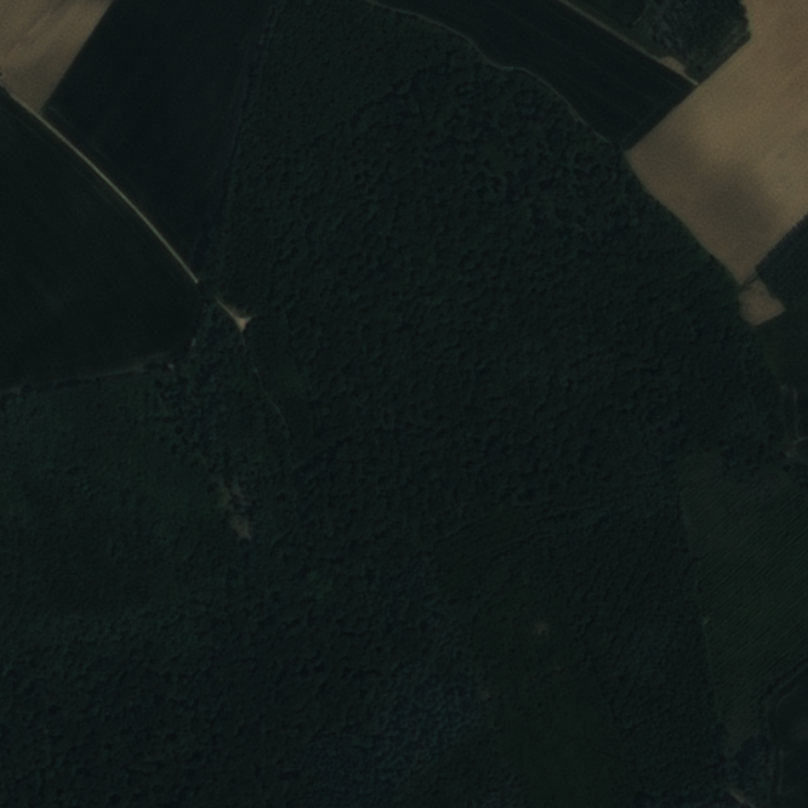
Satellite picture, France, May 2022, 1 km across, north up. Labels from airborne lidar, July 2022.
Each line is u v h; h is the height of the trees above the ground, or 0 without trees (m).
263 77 13
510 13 0
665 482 18
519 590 7
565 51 0
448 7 0
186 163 0
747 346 19
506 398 19
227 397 26
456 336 22
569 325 24
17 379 0
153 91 0
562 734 7
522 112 22
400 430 23
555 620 6
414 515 25
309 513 25
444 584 8
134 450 14
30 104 0
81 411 20
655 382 25
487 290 21
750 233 0
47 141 0
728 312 20
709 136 0
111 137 0
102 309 0
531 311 23
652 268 21
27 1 0
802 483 7
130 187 0
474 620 7
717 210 0
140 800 26
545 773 7
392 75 14
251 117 15
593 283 25
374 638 26
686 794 18
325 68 13
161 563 21
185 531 19
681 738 17
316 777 21
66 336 0
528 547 14
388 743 24
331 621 28
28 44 0
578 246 22
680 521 16
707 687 16
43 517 19
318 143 21
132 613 28
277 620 28
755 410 21
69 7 0
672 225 18
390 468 17
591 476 18
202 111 0
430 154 24
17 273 0
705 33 34
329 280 23
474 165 25
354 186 20
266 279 11
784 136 0
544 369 20
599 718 6
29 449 21
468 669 27
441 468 24
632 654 17
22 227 0
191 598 7
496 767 23
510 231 24
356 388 22
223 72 0
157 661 23
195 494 17
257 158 17
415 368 18
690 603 15
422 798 22
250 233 11
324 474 23
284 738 24
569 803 7
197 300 0
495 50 0
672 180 0
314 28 16
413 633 24
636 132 0
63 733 27
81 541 19
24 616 22
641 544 17
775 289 26
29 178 0
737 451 27
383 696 28
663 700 17
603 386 23
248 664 24
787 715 0
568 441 25
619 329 21
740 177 0
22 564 14
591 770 8
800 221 0
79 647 22
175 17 0
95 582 22
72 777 25
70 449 16
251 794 23
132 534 16
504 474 26
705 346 25
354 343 26
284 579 23
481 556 7
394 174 25
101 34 0
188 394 14
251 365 10
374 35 15
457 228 22
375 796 22
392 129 28
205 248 19
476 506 23
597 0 0
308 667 23
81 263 0
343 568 25
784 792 0
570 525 17
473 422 21
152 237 0
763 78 0
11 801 27
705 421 28
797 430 0
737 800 9
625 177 19
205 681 26
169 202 0
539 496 19
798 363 0
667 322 24
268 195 18
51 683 22
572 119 9
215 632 28
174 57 0
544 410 24
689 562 12
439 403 24
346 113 13
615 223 19
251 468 25
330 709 22
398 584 21
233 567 16
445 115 25
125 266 0
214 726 24
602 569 16
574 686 7
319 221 22
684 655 16
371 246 23
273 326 11
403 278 24
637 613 17
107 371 0
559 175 20
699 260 21
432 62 13
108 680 13
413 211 17
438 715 36
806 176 0
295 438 14
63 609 24
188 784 14
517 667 6
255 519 25
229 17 0
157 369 19
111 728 24
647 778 15
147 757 25
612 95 0
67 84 0
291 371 12
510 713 9
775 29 0
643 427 17
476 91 16
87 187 0
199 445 17
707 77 18
